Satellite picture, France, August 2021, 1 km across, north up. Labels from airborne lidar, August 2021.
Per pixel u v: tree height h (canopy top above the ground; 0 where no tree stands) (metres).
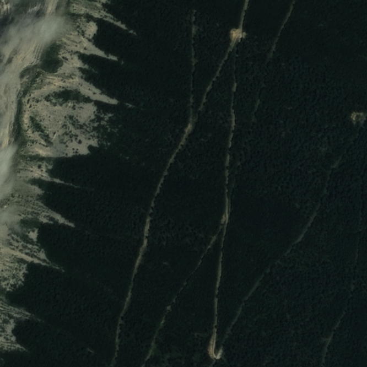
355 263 11
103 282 10
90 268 12
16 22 0
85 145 0
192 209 10
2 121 0
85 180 9
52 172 7
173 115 15
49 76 0
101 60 10
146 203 14
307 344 17
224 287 13
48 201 8
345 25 11
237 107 16
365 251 13
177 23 17
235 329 14
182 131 14
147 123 16
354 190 28
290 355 12
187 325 10
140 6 13
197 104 14
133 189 12
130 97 10
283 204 13
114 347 11
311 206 8
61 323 13
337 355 13
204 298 15
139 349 9
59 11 0
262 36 11
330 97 27
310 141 21
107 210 7
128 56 10
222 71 17
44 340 24
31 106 0
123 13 16
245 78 19
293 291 24
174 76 13
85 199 19
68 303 21
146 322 8
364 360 31
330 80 14
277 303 8
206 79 17
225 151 18
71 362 11
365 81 9
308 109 28
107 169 10
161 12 10
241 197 16
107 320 22
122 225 25
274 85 9
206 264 10
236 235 8
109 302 11
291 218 15
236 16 10
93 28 0
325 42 12
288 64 14
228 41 16
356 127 10
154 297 11
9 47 0
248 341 25
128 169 9
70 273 7
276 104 21
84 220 22
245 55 22
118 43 16
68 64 0
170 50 14
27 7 0
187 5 11
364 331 18
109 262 13
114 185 13
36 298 16
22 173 0
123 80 11
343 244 15
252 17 10
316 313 6
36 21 0
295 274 12
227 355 10
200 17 13
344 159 11
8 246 0
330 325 13
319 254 13
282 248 8
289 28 10
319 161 19
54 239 11
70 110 0
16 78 0
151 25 12
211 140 13
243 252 9
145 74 10
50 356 11
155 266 6
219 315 11
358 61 10
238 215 17
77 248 17
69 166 11
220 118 16
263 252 6
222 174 8
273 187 19
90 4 0
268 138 12
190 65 12
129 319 10
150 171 12
